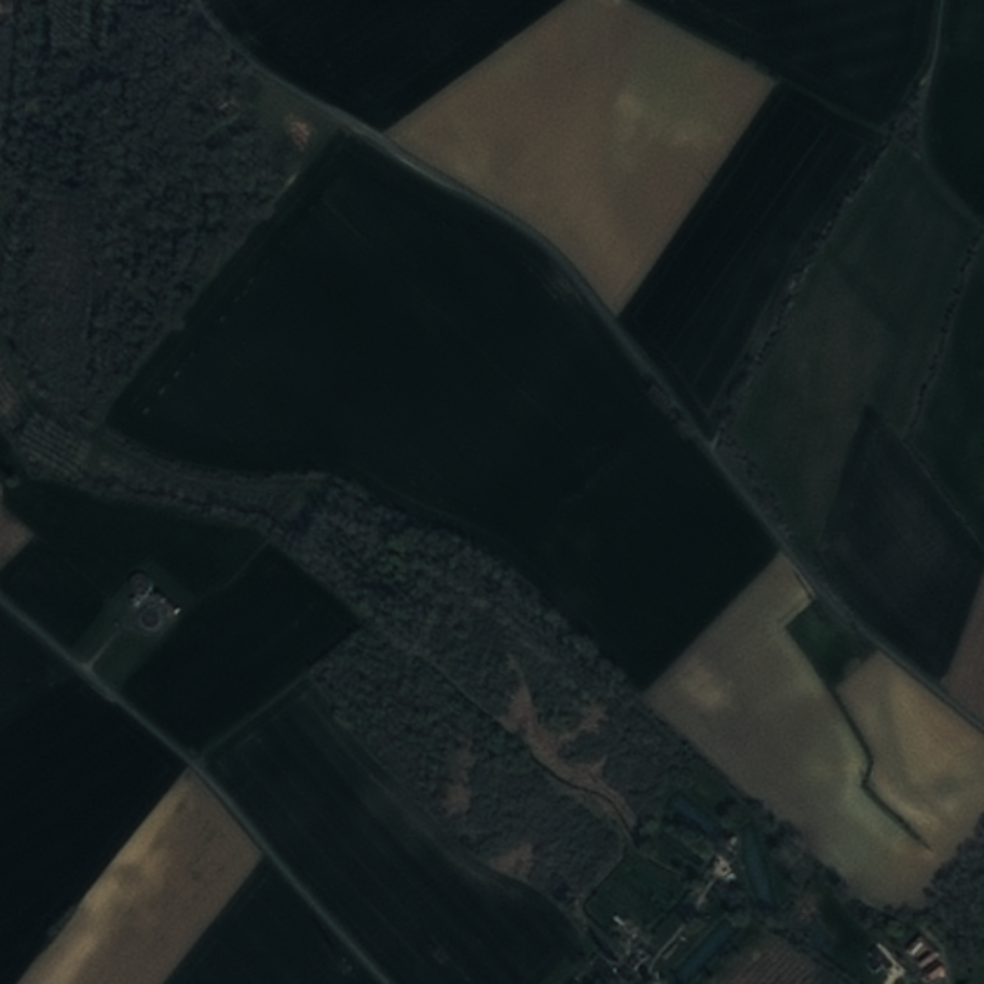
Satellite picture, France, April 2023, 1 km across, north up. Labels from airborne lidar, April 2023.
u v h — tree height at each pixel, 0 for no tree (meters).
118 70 10
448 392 0
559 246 0
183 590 0
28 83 10
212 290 0
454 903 0
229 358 0
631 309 0
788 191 0
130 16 25
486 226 0
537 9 0
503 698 10
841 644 0
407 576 32
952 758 0
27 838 0
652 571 0
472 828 12
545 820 7
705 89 0
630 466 0
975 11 0
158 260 12
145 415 0
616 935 7
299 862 0
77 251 10
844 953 0
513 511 0
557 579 0
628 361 0
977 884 12
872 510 0
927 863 0
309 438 0
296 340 0
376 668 11
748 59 10
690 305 0
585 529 0
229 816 0
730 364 0
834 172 0
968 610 0
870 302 0
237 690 0
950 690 0
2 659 0
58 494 0
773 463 0
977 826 0
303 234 0
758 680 0
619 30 0
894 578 0
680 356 0
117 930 0
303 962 0
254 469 0
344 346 0
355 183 0
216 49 22
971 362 0
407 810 0
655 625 0
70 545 0
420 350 0
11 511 0
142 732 0
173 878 0
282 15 0
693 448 0
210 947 0
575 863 7
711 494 0
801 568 0
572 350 0
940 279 0
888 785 0
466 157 0
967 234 0
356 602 12
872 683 0
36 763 0
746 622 0
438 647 8
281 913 0
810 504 0
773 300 0
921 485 0
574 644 26
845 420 0
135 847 0
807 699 0
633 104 0
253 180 23
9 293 20
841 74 0
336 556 34
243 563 0
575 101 0
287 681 0
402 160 0
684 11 0
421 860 0
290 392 0
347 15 0
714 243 0
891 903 0
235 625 0
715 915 0
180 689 0
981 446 0
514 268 0
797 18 0
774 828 19
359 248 0
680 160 0
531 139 0
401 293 0
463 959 0
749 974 0
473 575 31
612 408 0
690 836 23
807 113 0
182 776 0
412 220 0
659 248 0
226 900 0
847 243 0
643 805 8
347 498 17
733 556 0
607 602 0
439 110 0
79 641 0
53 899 0
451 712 15
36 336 14
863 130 0
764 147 0
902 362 0
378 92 0
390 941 0
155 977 0
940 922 10
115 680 0
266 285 0
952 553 0
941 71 0
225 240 21
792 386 0
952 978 0
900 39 0
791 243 0
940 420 0
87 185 18
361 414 0
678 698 0
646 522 0
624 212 0
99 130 29
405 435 0
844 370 0
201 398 0
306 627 0
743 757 0
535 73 0
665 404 19
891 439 0
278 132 0
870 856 0
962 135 0
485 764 8
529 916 0
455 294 0
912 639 0
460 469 0
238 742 0
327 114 0
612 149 0
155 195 30
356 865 0
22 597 0
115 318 16
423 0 0
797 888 27
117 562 0
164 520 0
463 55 0
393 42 0
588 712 23
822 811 0
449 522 0
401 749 11
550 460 0
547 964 0
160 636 0
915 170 0
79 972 0
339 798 0
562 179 0
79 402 13
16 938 0
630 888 0
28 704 0
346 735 0
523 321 0
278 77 0
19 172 23
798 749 0
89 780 0
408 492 0
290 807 0
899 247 0
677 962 0
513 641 8
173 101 21
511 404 0
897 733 0
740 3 0
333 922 0
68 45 24
